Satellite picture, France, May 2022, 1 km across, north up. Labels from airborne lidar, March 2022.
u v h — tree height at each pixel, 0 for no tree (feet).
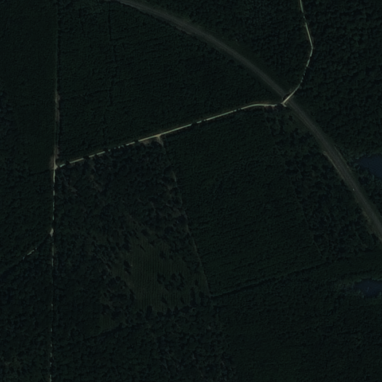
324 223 91
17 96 41
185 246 73
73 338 68
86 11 61
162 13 0
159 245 0
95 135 56
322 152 0
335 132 80
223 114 0
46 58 52
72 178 89
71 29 59
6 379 74
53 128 45
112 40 56
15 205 77
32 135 59
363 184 91
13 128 85
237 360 0
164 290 0
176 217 0
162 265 0
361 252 87
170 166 57
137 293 0
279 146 58
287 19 104
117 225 74
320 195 0
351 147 60
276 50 75
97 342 66
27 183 65
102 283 88
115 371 81
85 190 79
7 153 72
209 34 0
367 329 66
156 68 54
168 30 53
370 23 100
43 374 74
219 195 59
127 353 74
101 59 53
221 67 54
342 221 97
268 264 51
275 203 56
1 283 89
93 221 72
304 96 66
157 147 88
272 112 84
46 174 67
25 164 62
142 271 0
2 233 80
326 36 64
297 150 85
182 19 0
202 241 0
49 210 72
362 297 65
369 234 88
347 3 66
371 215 0
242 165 59
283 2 90
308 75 75
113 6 46
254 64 0
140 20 55
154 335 75
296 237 0
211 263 0
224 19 81
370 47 86
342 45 100
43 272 77
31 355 76
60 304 74
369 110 78
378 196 106
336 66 100
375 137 84
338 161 0
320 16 88
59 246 74
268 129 52
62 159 52
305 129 0
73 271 77
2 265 79
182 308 0
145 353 71
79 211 77
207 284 0
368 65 76
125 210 70
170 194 0
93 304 85
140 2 0
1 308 91
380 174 0
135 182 79
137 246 0
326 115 82
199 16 71
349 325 68
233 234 53
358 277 80
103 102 55
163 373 74
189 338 81
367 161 0
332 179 97
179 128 0
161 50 52
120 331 68
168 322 87
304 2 69
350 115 83
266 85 0
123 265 0
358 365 72
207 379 84
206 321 72
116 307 74
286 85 0
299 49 78
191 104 53
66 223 64
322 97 66
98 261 79
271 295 67
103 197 72
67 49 51
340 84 90
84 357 72
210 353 90
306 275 54
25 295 88
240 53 0
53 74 46
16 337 85
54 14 46
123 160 80
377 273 68
